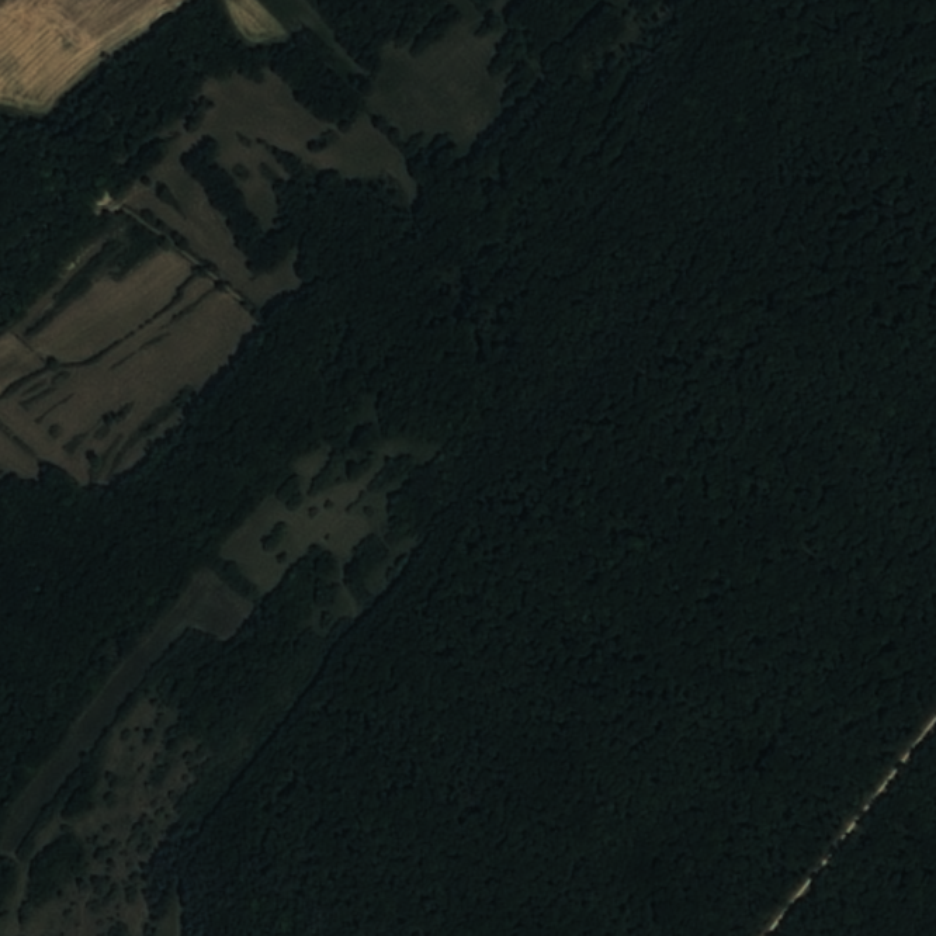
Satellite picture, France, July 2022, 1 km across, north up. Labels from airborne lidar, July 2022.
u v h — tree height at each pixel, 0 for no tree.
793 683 20
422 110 0
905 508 20
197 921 16
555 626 19
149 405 0
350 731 19
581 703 19
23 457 0
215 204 12
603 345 13
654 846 18
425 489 12
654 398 21
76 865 8
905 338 18
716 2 23
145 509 18
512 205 16
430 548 14
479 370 20
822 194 21
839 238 20
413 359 13
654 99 20
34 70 0
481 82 0
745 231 15
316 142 10
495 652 21
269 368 22
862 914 18
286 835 17
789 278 18
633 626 17
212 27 13
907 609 19
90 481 0
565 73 21
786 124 18
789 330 19
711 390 17
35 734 18
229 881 17
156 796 0
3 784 18
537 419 15
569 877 16
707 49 20
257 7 0
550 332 22
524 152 21
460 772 19
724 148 17
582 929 18
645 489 21
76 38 0
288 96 0
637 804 17
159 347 0
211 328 0
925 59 21
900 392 14
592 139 20
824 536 18
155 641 0
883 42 20
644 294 12
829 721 18
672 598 20
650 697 17
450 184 20
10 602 24
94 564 20
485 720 19
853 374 12
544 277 21
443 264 24
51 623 21
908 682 16
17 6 0
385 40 15
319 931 19
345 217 18
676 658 18
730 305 23
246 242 14
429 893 13
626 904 15
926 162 17
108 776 8
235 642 13
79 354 0
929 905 15
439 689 20
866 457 17
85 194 19
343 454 7
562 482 21
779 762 23
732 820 21
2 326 8
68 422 0
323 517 0
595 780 19
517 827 21
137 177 13
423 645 21
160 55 17
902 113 20
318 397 16
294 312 25
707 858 22
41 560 22
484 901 19
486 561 20
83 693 12
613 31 20
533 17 18
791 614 20
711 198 13
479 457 14
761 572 19
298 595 9
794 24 23
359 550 10
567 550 18
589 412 19
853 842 15
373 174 0
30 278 17
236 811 16
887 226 23
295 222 18
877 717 19
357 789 20
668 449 22
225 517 13
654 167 12
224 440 23
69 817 10
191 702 14
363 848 17
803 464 20
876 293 26
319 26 0
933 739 16
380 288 24
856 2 20
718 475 21
